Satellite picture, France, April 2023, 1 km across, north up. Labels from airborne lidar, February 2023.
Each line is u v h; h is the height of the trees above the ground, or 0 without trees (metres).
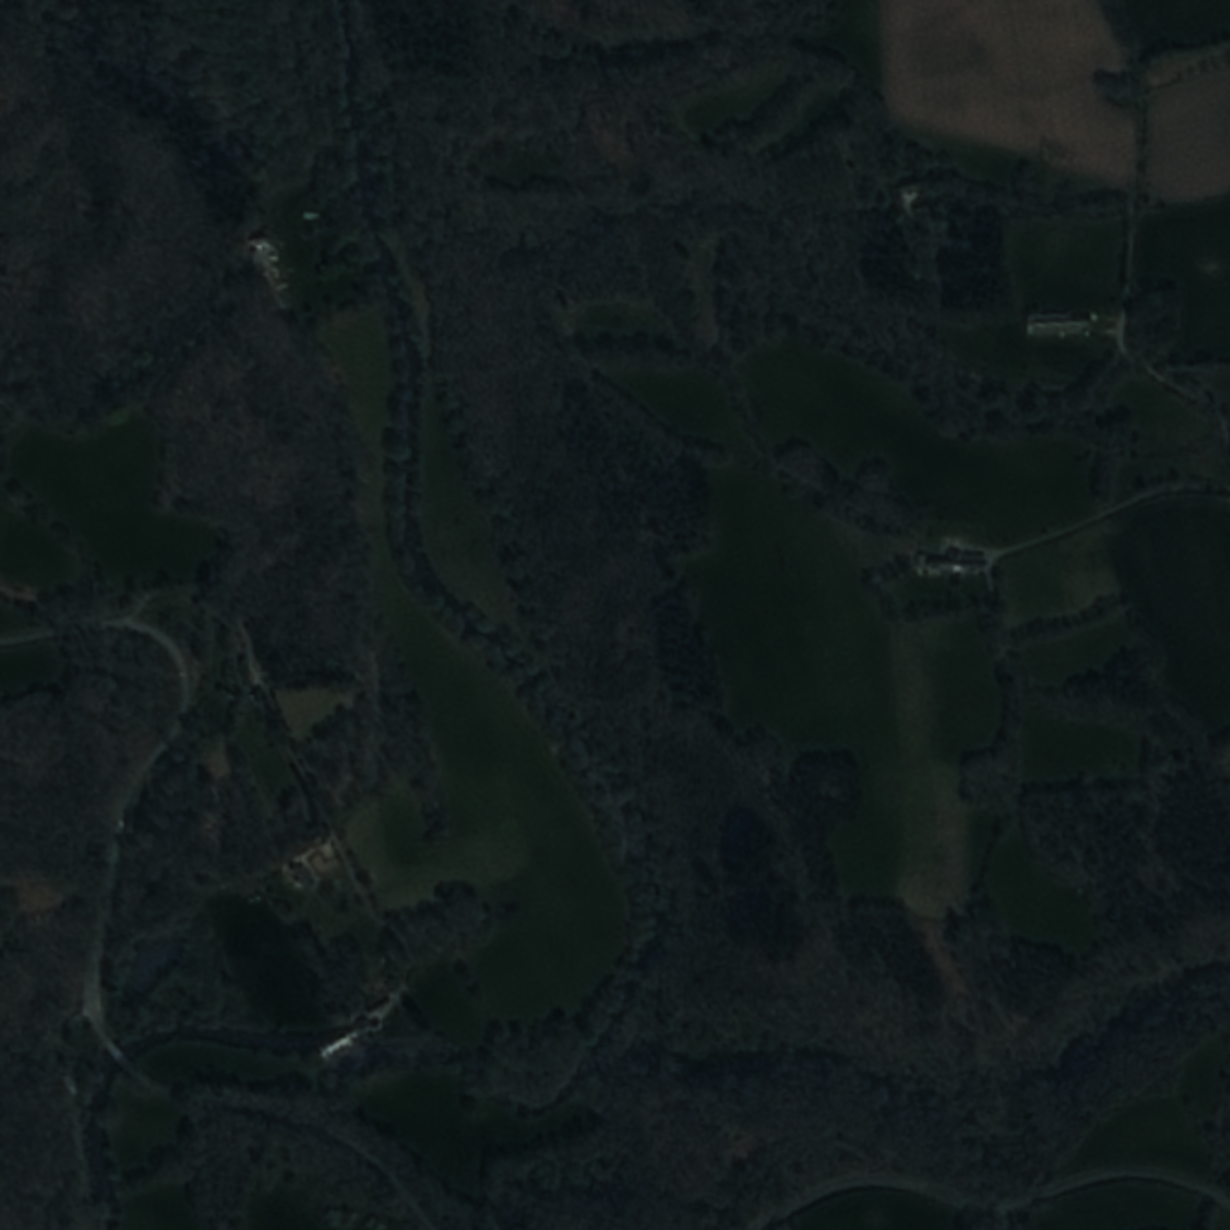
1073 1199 0
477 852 0
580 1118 0
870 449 0
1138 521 0
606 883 0
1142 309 11
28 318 16
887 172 14
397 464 14
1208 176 0
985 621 10
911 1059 16
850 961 16
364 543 23
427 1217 20
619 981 8
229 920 0
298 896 0
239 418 10
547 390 17
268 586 12
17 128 14
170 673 8
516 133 13
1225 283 0
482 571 0
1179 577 0
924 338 13
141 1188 10
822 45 0
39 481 0
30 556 0
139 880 12
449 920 16
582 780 19
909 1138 22
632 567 18
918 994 14
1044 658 0
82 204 7
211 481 15
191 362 24
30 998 10
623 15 18
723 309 15
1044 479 0
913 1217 0
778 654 0
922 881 0
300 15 13
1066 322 0
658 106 14
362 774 17
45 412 26
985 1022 13
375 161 12
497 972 0
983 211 22
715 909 13
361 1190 13
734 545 0
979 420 16
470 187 14
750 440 8
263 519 10
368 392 0
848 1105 22
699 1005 17
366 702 20
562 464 14
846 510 14
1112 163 0
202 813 19
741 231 19
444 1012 0
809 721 0
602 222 20
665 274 7
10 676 0
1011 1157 8
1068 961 9
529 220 18
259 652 12
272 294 18
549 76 25
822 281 15
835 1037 19
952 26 0
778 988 17
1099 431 15
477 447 19
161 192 22
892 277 21
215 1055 0
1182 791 13
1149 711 8
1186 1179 0
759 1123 21
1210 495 7
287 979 0
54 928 13
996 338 0
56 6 29
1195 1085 0
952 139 0
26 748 12
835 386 0
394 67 24
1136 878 13
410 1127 0
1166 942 17
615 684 10
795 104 16
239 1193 16
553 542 15
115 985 13
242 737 0
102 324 29
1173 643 0
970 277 19
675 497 21
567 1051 17
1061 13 0
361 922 0
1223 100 0
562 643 22
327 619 26
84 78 29
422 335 12
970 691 0
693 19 22
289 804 11
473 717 0
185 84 28
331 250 11
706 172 16
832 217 15
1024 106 0
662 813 21
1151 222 0
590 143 17
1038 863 10
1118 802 19
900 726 0
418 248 19
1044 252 0
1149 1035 22
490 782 0
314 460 17
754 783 12
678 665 24
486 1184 17
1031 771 0
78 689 18
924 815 0
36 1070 23
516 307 17
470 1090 11
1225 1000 16
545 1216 22
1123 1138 0
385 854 0
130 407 12
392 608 0
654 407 0
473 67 22
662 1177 20
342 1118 22
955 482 0
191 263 26
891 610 15
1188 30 0
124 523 0
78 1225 23
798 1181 13
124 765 17
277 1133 10
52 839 24
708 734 13
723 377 10
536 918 0
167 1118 0
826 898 15
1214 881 13
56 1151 28
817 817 13
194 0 13
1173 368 9
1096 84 9
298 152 18
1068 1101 17
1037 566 0
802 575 0
